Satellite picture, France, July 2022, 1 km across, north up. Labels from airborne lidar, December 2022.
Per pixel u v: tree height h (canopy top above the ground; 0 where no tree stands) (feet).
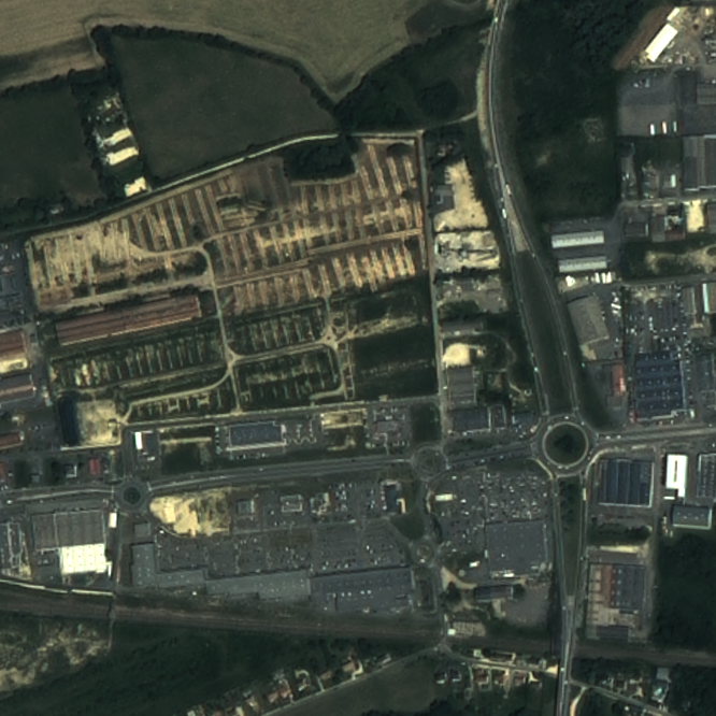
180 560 0
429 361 0
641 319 0
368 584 0
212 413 0
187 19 0
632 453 0
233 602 0
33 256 0
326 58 0
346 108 45
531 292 0
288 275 0
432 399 0
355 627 0
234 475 0
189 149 0
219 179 0
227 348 0
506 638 0
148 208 0
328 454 0
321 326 0
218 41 49
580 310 0
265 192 0
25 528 0
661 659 0
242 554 0
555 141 0
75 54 0
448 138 57
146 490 0
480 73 0
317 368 0
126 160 0
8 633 0
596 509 0
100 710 18
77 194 0
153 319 0
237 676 0
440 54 0
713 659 0
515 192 0
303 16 0
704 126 0
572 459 0
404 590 0
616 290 0
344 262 0
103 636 0
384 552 0
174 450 0
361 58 0
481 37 0
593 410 0
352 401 0
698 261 0
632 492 0
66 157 0
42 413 0
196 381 0
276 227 0
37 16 0
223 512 0
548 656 28
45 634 0
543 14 19
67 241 0
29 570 0
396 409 0
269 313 0
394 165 0
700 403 0
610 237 0
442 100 30
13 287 0
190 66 0
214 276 0
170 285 0
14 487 0
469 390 0
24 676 0
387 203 0
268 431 0
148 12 0
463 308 0
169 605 0
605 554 0
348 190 0
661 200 0
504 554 0
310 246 0
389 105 26
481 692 0
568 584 0
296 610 0
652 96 0
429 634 0
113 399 0
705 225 0
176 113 0
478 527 0
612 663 47
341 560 0
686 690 52
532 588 0
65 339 0
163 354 0
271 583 0
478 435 0
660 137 23
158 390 0
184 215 0
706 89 0
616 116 0
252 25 0
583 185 27
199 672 26
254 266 0
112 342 0
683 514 0
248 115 0
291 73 0
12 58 0
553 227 0
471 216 0
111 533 0
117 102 0
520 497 0
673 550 26
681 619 38
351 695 0
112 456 0
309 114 0
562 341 0
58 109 0
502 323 0
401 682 0
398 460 0
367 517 0
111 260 0
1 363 0
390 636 0
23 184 0
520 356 0
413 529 0
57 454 0
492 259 0
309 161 29
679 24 0
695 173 0
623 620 0
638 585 0
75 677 26
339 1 0
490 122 0
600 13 45
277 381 0
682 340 0
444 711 82
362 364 0
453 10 0
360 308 0
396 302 0
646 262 0
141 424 0
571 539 0
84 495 0
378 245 0
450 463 0
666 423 0
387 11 0
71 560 0
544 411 0
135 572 0
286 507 0
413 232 0
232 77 0
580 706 0
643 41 0
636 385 0
